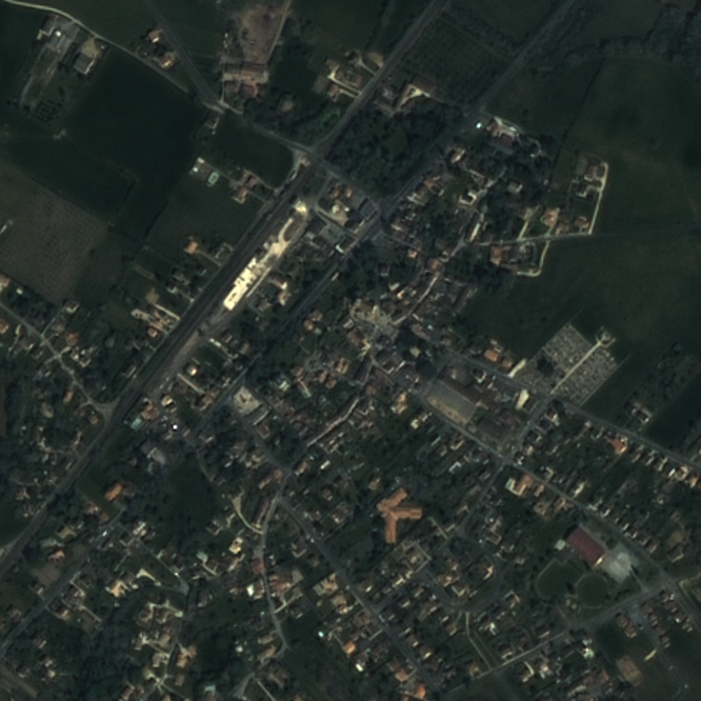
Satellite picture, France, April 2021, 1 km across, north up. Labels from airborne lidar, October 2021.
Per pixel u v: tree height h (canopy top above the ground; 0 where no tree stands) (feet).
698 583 0
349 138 58
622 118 0
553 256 0
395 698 29
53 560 25
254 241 0
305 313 24
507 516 25
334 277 0
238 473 52
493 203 52
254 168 0
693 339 0
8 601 0
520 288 0
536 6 0
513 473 24
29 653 36
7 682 0
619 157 0
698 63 59
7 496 33
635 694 58
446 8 50
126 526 50
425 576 0
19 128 0
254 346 44
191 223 0
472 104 24
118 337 41
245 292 0
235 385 0
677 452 24
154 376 0
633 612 0
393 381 0
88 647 74
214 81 20
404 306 0
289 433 24
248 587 0
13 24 0
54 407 34
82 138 0
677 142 0
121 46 0
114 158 0
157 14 0
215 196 0
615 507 18
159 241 0
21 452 35
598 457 20
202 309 0
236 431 23
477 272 24
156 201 0
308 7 0
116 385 28
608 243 0
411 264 25
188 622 30
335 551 34
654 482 0
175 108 0
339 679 27
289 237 0
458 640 0
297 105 38
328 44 0
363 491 28
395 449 29
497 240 19
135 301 42
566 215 37
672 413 0
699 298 0
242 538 0
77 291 0
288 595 0
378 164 87
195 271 26
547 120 0
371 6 0
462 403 0
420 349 29
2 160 0
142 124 0
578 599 0
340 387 19
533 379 0
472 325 23
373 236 0
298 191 0
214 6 0
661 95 0
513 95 0
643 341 0
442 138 51
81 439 21
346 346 0
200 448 26
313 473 25
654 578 24
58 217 52
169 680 0
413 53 35
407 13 0
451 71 32
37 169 0
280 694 52
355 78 0
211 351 0
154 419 0
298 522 0
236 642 27
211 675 31
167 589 0
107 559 22
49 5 0
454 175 40
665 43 39
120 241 0
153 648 0
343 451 25
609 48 61
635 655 0
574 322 0
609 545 29
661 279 0
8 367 50
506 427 0
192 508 0
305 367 0
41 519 0
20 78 0
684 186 0
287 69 0
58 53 0
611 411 0
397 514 0
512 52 32
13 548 0
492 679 0
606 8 0
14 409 76
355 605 20
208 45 0
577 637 38
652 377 24
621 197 0
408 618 22
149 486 52
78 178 0
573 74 0
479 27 34
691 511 25
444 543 0
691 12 0
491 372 0
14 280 0
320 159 0
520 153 49
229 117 50
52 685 22
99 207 0
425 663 33
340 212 0
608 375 0
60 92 0
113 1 0
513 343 0
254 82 0
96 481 0
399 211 19
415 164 69
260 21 0
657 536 28
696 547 48
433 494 31
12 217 0
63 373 34
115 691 27
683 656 0
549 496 31
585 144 0
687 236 0
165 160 0
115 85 0
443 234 30
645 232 0
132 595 42
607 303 0
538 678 31
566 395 0
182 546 35
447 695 51
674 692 0
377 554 27
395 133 18
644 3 0
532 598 29
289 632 0
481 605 0
